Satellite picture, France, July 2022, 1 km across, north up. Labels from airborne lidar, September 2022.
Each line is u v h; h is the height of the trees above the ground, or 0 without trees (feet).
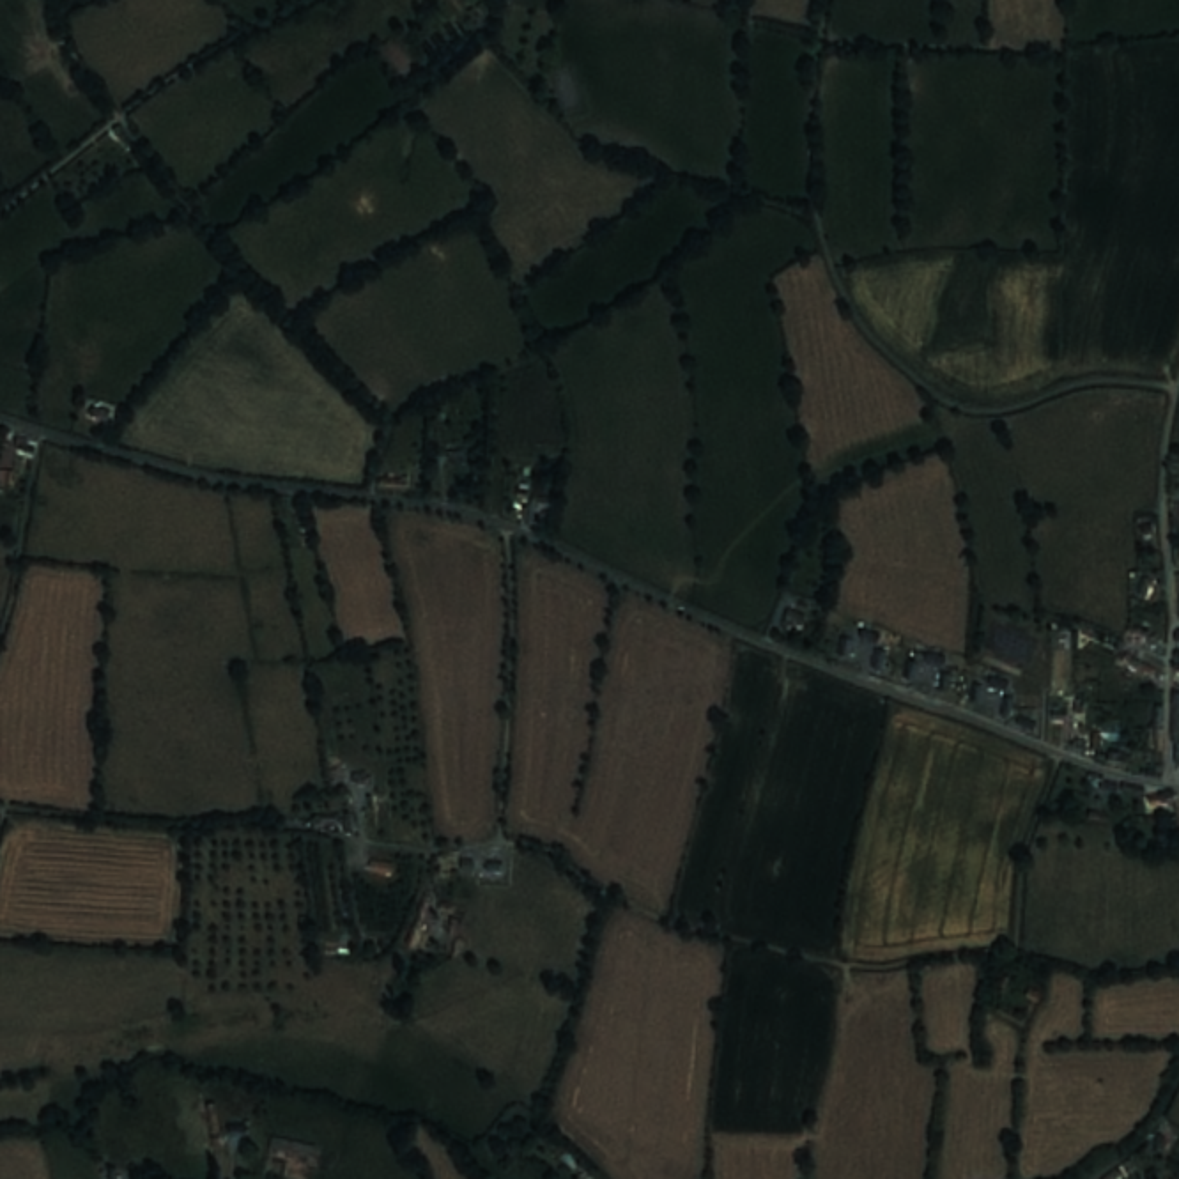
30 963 0
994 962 31
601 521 0
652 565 0
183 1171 0
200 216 31
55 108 0
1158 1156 20
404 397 0
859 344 0
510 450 0
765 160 0
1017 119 0
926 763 0
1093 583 0
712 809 0
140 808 0
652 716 0
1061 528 0
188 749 0
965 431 0
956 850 0
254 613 0
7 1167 0
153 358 0
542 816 0
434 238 33
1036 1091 0
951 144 0
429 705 0
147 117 0
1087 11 0
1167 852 23
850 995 0
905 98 50
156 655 0
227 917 19
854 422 0
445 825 0
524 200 0
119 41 0
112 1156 0
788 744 0
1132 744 20
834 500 64
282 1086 44
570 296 0
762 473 0
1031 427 0
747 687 0
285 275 0
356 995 0
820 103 27
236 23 35
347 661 39
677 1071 0
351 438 0
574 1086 0
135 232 51
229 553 0
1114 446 0
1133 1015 0
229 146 0
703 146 0
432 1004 0
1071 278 0
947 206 0
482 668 0
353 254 0
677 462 0
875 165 0
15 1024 0
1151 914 0
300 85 0
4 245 0
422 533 0
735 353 0
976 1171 0
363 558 0
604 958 0
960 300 0
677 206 0
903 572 0
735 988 0
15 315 0
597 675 40
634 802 0
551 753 0
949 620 0
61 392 0
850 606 0
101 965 0
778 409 0
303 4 33
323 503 43
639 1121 0
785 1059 0
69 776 0
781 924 0
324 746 19
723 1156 0
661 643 0
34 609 0
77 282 0
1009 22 0
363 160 0
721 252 0
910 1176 0
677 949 0
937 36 52
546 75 29
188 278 0
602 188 0
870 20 0
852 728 0
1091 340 0
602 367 0
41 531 0
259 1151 36
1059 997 0
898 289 0
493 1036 0
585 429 0
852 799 0
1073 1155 0
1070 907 0
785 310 32
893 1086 0
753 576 0
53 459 0
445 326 0
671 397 0
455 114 0
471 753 0
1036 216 0
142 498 0
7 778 0
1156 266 0
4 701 0
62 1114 34
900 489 0
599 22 0
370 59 47
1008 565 0
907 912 0
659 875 0
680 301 31
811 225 19
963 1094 0
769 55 0
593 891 36
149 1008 0
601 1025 0
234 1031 0
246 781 0
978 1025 30
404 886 19
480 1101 0
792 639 30
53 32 44
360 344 0
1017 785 0
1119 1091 0
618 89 0
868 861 0
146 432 0
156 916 0
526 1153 36
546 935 0
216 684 0
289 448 0
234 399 0
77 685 0
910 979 24
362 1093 0
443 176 0
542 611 0
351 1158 0
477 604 0
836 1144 0
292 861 20
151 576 0
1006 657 0
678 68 0
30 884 0
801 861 0
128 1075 45
